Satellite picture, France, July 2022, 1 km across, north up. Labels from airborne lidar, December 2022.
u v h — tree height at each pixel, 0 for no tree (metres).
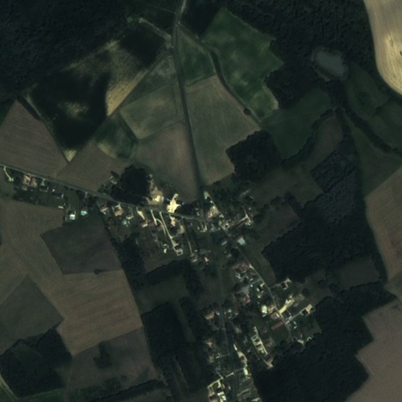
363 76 0
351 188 24
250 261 0
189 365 20
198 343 7
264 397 7
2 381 0
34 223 0
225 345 6
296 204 16
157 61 0
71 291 0
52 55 21
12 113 0
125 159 0
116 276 0
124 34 0
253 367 16
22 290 0
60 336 12
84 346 0
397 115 0
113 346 0
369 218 0
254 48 0
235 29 0
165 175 0
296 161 14
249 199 9
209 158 0
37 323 0
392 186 0
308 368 23
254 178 16
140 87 0
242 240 0
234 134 0
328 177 13
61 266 0
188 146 0
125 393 16
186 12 0
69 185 0
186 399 0
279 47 16
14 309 0
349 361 22
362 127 20
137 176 15
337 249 20
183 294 0
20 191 0
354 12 26
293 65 11
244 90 0
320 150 0
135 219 0
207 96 0
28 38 26
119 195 15
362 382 14
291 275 16
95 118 0
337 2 12
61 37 13
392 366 0
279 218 0
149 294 0
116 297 0
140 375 0
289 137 0
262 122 0
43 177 0
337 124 0
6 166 0
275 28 15
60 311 0
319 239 24
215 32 0
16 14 26
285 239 17
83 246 0
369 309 16
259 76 0
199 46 0
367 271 0
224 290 0
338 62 0
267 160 17
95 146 0
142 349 0
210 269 15
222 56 0
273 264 19
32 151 0
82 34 14
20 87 20
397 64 0
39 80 0
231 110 0
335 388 13
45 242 0
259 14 12
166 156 0
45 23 7
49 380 10
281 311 0
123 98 0
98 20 17
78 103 0
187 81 0
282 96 11
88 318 0
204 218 0
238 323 16
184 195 0
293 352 8
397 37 0
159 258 0
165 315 14
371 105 0
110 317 0
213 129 0
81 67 0
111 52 0
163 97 0
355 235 21
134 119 0
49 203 0
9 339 0
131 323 0
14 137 0
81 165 0
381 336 0
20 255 0
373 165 0
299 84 15
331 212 28
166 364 18
